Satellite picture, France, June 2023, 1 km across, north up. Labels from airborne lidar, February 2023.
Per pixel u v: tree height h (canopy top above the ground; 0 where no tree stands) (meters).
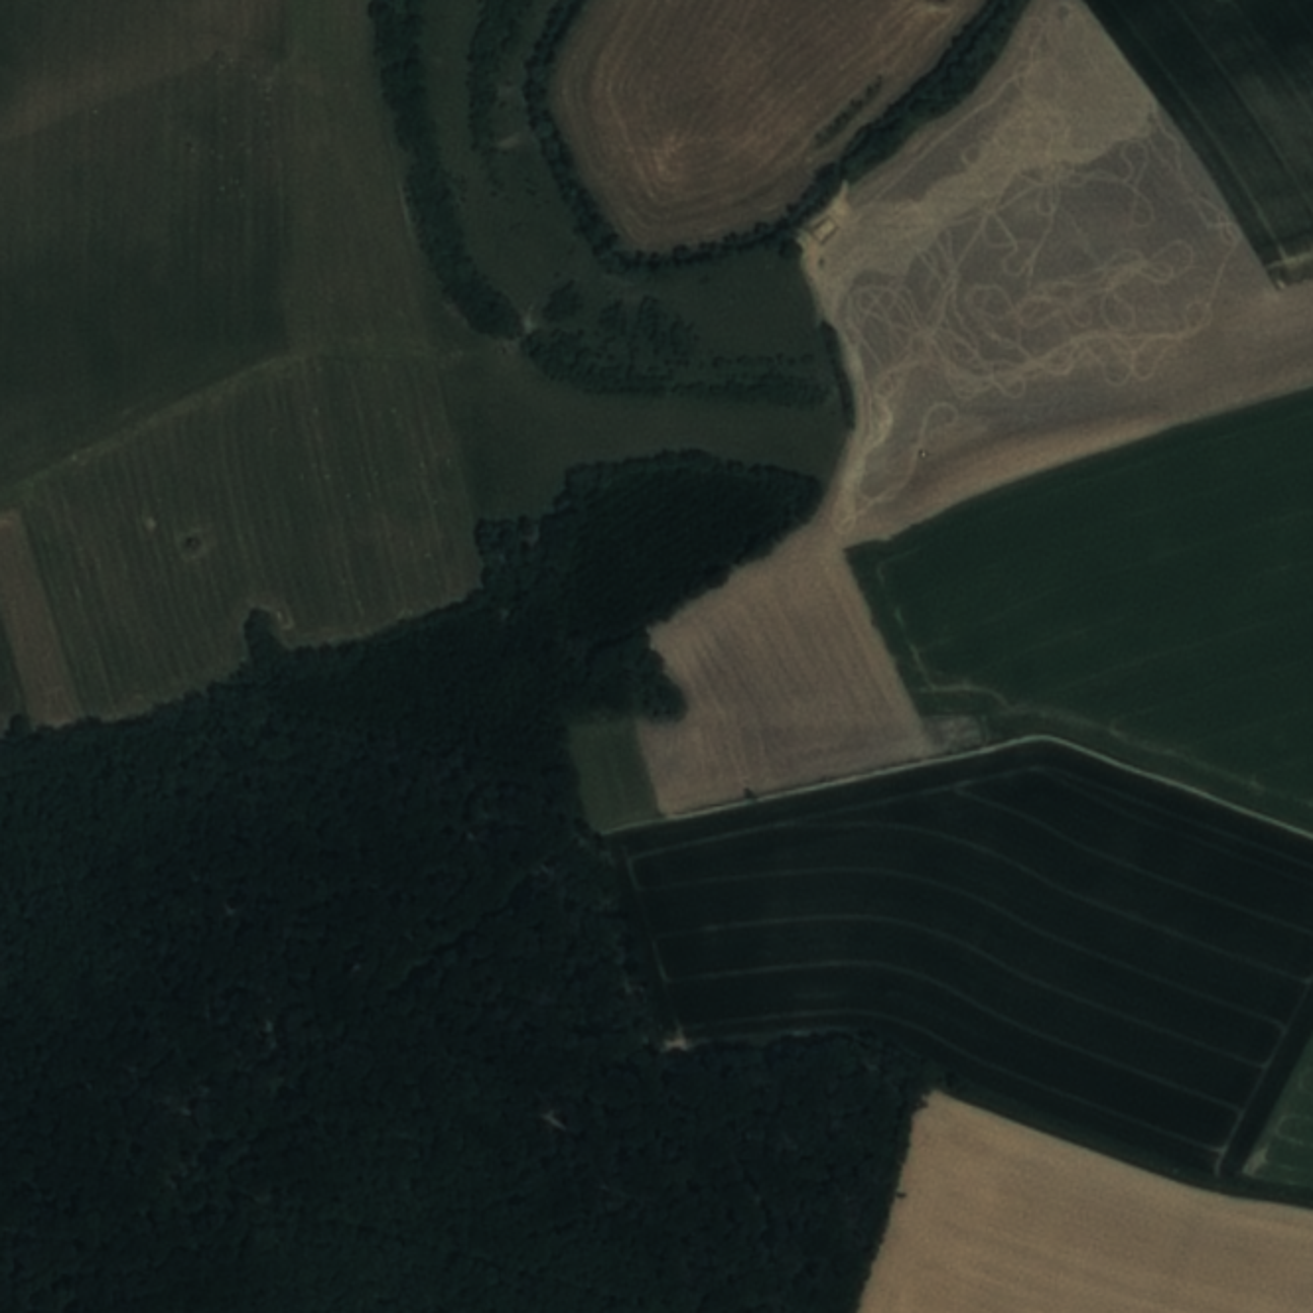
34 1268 30
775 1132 34
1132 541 0
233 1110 29
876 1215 21
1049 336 0
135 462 0
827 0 0
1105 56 0
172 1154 26
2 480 0
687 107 0
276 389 0
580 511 10
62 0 0
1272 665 0
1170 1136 0
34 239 0
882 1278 0
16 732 11
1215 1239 0
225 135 0
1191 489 0
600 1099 33
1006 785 0
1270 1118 0
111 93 0
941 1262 0
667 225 0
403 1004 27
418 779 27
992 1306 0
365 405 0
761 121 0
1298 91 0
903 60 0
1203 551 0
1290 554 0
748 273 0
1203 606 0
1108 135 0
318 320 0
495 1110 25
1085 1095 0
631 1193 30
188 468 0
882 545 0
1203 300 0
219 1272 29
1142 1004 0
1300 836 0
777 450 0
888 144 11
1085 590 0
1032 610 0
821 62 0
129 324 0
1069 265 0
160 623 0
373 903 29
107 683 0
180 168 0
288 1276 20
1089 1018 0
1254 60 0
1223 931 0
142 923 25
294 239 0
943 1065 0
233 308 0
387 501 0
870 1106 29
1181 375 0
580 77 0
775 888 0
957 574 0
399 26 6
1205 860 0
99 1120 29
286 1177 26
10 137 0
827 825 0
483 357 0
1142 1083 0
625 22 0
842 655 0
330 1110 25
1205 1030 0
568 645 21
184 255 0
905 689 0
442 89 0
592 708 22
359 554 0
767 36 0
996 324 0
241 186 0
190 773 20
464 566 0
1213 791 0
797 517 16
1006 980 0
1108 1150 0
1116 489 0
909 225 0
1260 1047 0
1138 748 0
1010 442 0
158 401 0
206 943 29
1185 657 0
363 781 27
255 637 14
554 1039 31
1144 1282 0
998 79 0
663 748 0
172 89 0
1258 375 0
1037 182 0
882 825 0
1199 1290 0
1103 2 0
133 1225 26
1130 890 0
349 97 0
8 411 0
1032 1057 0
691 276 0
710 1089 30
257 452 0
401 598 0
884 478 0
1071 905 0
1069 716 0
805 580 0
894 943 0
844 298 0
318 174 0
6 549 0
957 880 0
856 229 0
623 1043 32
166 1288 25
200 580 0
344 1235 19
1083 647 0
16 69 0
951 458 0
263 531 0
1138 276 0
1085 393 0
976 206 0
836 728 0
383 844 28
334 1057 29
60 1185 26
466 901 27
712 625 0
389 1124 22
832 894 0
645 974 19
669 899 0
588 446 0
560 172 10
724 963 0
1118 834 0
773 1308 23
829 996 0
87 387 0
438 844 28
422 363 0
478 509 0
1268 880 0
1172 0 0
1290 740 0
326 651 13
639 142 0
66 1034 24
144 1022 27
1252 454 0
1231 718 0
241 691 10
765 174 0
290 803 22
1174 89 0
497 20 6
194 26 0
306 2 0
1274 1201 0
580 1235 25
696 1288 24
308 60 0
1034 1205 0
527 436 0
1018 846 0
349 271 0
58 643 0
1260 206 0
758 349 0
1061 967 0
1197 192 0
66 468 0
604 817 0
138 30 0
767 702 0
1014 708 0
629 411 0
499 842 29
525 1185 27
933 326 0
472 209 0
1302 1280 0
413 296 0
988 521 0
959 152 0
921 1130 0
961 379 0
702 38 0
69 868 18
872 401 0
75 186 0
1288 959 0
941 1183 0
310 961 29
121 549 0
